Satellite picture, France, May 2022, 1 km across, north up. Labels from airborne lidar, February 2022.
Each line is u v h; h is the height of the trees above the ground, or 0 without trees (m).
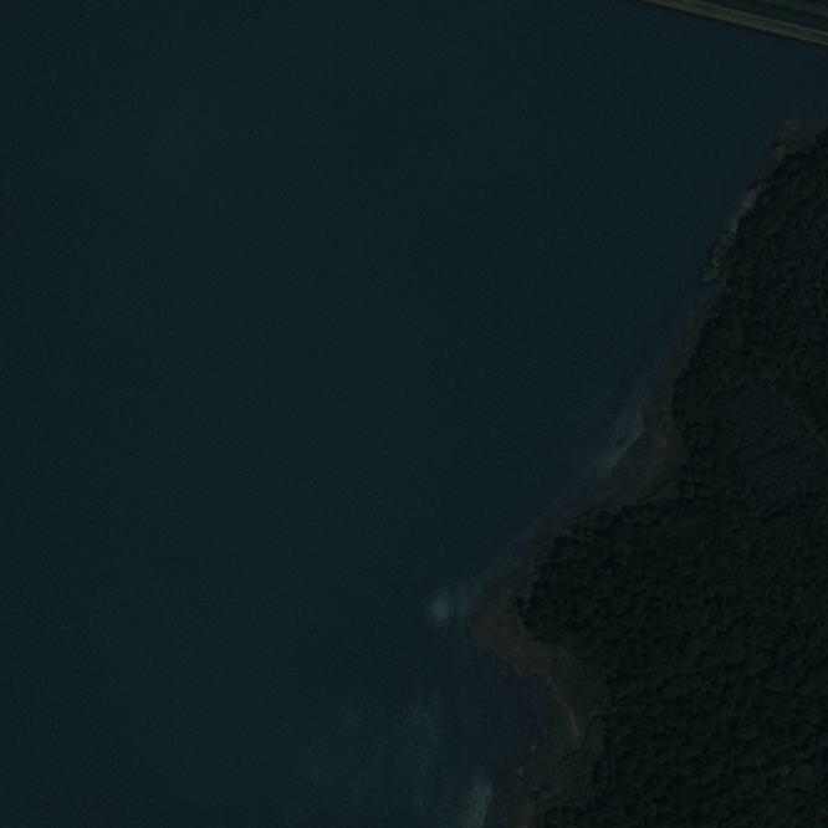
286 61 0
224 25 0
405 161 0
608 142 0
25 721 0
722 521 26
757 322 18
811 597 27
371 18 0
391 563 0
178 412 0
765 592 26
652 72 0
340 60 0
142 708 0
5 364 0
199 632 0
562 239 0
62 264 0
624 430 0
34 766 0
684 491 20
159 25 0
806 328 31
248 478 0
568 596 23
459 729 0
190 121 0
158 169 0
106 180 0
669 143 0
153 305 0
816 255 32
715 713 25
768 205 21
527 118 0
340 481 0
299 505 0
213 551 0
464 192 0
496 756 0
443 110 0
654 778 27
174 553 0
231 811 0
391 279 0
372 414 0
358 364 0
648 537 24
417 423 0
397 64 0
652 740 26
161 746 0
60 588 0
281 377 0
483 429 0
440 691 0
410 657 0
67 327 0
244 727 0
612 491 0
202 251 0
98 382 0
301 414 0
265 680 0
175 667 0
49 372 0
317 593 0
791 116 0
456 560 0
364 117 0
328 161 0
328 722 0
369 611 0
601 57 0
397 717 0
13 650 0
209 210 0
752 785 27
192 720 0
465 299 0
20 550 0
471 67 0
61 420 0
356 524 0
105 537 0
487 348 0
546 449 0
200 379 0
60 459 0
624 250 0
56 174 0
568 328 0
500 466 0
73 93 0
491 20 0
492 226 0
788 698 26
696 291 0
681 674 26
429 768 0
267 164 0
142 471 0
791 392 19
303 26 0
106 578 0
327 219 0
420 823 0
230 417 0
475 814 0
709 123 0
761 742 29
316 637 0
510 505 0
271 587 0
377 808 0
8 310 0
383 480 0
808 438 23
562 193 0
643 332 0
